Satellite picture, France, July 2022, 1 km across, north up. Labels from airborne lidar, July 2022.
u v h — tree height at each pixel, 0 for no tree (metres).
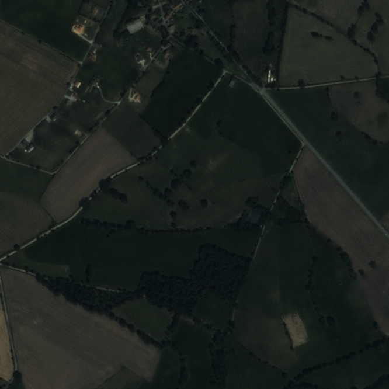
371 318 0
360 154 0
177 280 18
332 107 0
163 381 0
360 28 0
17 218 0
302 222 15
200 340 0
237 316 0
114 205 0
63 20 0
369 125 0
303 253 0
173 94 0
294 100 0
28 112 0
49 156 0
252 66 0
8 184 0
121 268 0
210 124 0
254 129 0
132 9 9
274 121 0
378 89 13
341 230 0
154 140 0
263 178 0
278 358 0
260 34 0
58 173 0
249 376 0
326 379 0
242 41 0
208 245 15
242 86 0
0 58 0
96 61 0
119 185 0
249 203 9
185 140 0
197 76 0
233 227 17
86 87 0
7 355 0
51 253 0
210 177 0
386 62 0
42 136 0
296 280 0
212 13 0
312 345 0
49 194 0
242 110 0
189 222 0
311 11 0
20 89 0
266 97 0
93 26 0
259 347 0
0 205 0
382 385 22
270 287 0
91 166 0
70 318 0
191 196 0
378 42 0
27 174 0
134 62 0
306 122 0
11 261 0
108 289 13
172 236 0
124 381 0
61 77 0
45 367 0
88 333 0
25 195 0
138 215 0
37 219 0
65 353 0
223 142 0
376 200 0
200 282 21
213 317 0
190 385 0
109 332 0
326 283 0
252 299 0
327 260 0
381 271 0
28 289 0
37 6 0
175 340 0
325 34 0
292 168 0
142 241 0
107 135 0
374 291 0
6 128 0
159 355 0
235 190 0
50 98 0
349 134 0
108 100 0
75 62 0
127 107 0
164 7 7
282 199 6
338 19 0
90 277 14
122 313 0
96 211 0
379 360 0
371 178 0
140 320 0
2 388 8
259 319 0
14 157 0
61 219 0
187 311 22
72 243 0
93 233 0
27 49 0
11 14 0
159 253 0
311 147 0
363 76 0
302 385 14
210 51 0
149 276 13
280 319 0
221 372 20
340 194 0
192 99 0
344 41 0
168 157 0
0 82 0
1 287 0
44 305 0
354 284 0
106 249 0
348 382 0
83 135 0
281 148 0
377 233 0
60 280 11
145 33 0
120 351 0
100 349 0
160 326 0
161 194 14
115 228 8
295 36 0
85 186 0
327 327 0
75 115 0
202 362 0
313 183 0
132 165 0
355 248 0
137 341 0
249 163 0
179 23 0
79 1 0
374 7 0
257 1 0
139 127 0
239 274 21
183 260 0
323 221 0
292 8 0
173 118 0
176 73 0
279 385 0
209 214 0
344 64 0
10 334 0
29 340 0
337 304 0
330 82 0
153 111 0
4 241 0
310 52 0
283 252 0
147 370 0
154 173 0
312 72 0
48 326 0
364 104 0
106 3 0
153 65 0
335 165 0
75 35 0
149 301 12
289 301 0
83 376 0
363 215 0
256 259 0
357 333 0
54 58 0
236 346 0
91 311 14
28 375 0
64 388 0
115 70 0
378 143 11
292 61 0
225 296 10
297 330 0
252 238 0
